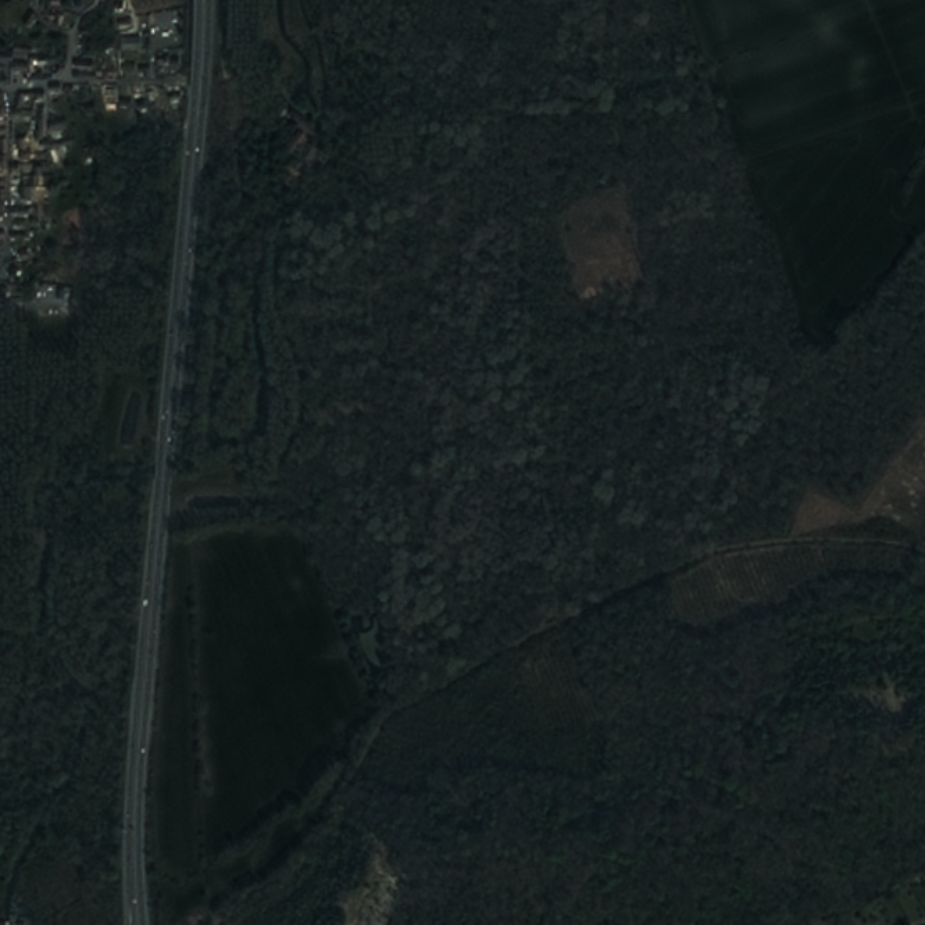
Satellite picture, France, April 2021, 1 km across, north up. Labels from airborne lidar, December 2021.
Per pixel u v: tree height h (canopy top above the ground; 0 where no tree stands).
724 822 9
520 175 17
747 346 22
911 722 16
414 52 25
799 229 0
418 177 25
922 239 18
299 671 0
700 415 19
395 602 28
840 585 18
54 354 35
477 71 20
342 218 21
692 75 19
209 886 0
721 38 0
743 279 19
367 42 32
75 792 22
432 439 12
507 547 23
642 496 19
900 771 21
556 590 24
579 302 13
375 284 26
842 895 22
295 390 36
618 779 26
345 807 15
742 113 0
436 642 32
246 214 14
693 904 23
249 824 0
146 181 31
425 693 17
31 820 21
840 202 0
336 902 7
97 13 6
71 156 0
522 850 19
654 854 19
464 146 23
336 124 17
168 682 0
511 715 8
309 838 14
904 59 0
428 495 22
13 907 0
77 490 29
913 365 8
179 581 0
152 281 34
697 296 29
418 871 14
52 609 18
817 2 0
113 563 26
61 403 39
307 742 0
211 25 0
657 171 20
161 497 0
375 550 16
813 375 20
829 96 0
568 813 24
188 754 0
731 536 16
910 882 13
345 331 23
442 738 7
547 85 25
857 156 0
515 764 7
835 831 22
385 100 24
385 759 9
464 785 18
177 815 0
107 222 26
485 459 21
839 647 13
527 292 18
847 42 0
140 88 0
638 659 21
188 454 12
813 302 0
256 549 0
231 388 38
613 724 22
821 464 23
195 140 0
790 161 0
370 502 26
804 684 22
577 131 11
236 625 0
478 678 10
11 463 37
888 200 0
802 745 14
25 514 34
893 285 21
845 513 0
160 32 0
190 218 0
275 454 38
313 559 19
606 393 8
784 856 20
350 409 27
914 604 19
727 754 22
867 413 10
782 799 20
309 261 30
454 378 17
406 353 18
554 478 20
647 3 19
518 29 22
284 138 6
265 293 36
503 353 29
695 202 27
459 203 19
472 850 21
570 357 18
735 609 10
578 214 0
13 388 39
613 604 21
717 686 24
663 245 21
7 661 25
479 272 15
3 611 30
